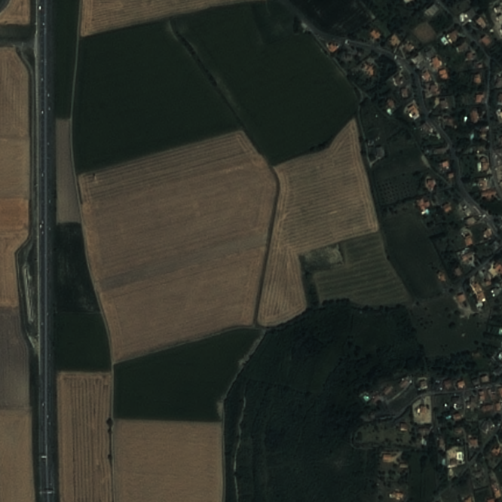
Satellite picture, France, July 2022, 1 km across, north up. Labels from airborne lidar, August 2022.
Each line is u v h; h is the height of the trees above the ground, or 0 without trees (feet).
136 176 0
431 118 28
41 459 0
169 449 0
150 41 0
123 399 0
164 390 0
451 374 31
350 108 0
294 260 0
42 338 0
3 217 0
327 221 0
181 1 0
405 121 30
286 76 0
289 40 0
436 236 33
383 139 0
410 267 0
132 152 0
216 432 0
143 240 0
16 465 0
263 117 0
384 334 0
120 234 0
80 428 0
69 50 0
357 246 0
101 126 0
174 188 0
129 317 0
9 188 0
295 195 0
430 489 0
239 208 0
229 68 0
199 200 0
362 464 21
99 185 0
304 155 0
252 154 0
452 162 31
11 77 0
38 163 0
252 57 0
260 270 0
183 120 0
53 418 0
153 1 0
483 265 0
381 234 0
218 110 0
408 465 18
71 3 0
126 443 0
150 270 0
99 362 0
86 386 0
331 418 35
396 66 24
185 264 0
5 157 0
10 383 0
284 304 0
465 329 0
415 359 31
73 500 0
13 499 0
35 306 0
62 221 0
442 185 28
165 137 0
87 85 0
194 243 0
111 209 0
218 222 0
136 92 0
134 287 0
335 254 0
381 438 0
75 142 0
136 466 0
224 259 0
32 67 0
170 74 0
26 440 0
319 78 0
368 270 0
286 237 0
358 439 21
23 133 0
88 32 0
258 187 0
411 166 0
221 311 0
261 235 0
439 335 0
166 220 0
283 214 0
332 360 0
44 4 0
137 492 0
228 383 0
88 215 0
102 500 0
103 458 0
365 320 0
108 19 0
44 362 0
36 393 0
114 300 0
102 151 0
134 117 0
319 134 0
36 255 0
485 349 20
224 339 0
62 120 0
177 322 0
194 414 0
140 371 0
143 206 0
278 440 30
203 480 0
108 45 0
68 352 0
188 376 0
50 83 0
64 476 0
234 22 0
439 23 20
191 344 0
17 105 0
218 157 0
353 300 0
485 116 27
